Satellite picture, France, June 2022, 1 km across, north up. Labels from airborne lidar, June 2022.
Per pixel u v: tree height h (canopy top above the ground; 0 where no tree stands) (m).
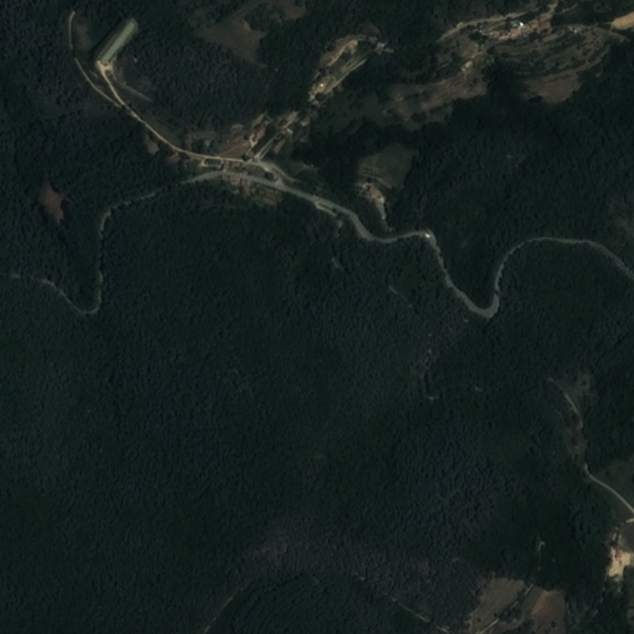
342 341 23
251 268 16
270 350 19
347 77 7
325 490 11
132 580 23
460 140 25
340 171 7
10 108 23
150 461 21
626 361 29
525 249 13
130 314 15
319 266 12
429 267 12
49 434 14
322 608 30
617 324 26
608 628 20
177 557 21
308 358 17
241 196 9
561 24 12
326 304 25
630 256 8
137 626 20
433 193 11
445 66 7
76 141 30
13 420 9
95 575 17
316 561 9
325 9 14
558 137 28
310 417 15
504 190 19
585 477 18
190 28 6
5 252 25
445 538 10
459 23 13
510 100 32
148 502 28
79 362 20
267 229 11
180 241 13
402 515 17
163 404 18
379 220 13
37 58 14
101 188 16
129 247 23
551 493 23
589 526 32
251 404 10
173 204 14
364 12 7
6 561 19
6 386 10
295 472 8
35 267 22
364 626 13
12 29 20
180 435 15
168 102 15
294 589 30
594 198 13
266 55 13
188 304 12
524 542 6
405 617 12
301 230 7
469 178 11
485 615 0
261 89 12
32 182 28
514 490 22
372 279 15
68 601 14
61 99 11
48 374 17
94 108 0
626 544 0
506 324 12
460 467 21
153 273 9
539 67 7
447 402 11
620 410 11
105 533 22
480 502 21
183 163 6
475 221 10
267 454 13
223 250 15
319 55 11
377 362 17
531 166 24
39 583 15
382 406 15
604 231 14
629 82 15
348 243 15
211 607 14
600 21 12
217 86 8
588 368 8
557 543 12
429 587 8
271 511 11
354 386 17
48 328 14
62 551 18
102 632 16
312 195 10
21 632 15
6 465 8
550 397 12
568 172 10
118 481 26
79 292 6
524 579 14
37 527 17
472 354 13
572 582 10
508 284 10
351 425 17
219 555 18
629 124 36
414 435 21
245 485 14
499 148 15
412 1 15
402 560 11
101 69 0
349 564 14
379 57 17
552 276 14
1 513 19
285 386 20
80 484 28
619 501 0
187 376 15
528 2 9
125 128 7
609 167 10
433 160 13
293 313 23
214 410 7
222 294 13
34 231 20
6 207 16
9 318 20
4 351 11
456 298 20
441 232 10
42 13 6
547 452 11
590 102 18
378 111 0
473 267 9
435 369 14
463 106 20
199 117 10
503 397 8
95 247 16
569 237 12
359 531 7
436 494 18
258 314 22
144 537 23
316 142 11
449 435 21
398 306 21
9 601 6
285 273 22
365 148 18
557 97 0
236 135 0
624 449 12
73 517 23
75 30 0
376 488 15
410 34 13
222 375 10
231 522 14
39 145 23
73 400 20
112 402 20
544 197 11
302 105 15
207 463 19
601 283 16
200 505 20
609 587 21
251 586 10
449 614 8
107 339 19
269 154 9
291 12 0
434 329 19
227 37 0
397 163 0
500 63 9
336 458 18
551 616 0
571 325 17
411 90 0
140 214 22
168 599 17
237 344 13
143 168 15
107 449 22
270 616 37
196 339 11
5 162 15
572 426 9
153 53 16
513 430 6
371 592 15
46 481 14
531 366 17
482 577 8
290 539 9
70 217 32
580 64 6
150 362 16
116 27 12
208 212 10
